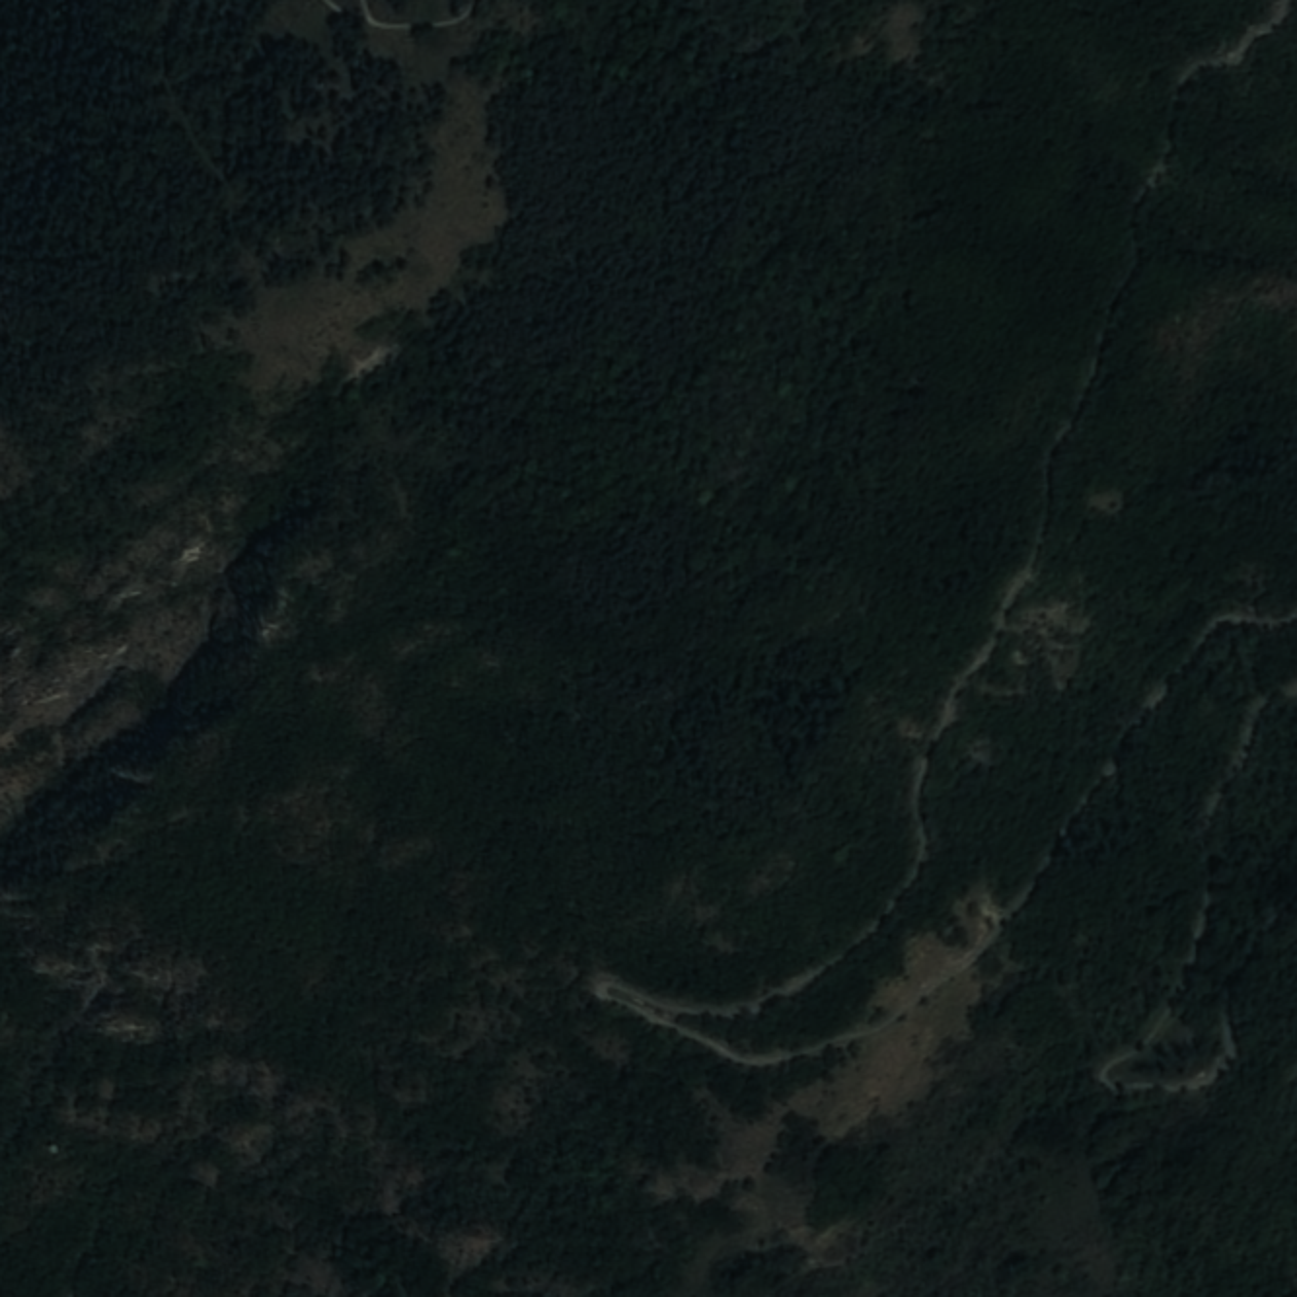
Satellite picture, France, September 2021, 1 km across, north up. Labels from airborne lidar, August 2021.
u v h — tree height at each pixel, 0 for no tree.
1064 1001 12
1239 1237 5
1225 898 20
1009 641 14
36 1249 17
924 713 9
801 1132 9
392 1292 11
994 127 16
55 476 9
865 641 16
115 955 10
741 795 8
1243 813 6
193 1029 10
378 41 0
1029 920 10
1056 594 9
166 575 8
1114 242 16
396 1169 8
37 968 12
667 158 16
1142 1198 19
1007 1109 8
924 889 12
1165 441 16
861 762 9
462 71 7
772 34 6
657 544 18
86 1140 10
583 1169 17
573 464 14
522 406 14
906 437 18
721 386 14
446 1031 8
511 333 15
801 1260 7
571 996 8
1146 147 13
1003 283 19
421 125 8
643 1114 14
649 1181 9
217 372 8
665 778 12
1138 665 7
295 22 0
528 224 18
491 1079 8
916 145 18
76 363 11
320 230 6
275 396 6
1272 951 22
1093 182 25
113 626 8
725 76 14
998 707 11
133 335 15
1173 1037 0
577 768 9
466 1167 8
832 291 18
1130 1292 7
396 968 10
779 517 17
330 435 14
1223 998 23
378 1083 12
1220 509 11
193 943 10
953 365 20
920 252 18
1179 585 16
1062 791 9
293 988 12
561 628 15
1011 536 20
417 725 8
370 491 9
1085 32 18
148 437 10
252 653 8
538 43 11
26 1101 13
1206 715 16
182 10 7
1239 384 13
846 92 14
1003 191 20
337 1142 7
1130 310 20
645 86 12
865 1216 6
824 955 7
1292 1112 11
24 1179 10
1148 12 20
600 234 18
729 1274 6
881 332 18
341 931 9
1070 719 12
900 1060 0
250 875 13
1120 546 16
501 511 11
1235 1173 17
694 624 16
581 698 16
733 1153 0
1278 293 6
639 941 10
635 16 13
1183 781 15
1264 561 9
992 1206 9
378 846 7
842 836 14
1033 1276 15
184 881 13
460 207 0
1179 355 7
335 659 9
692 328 15
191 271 7
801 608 14
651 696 17
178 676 8
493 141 14
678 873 9
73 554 7
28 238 22
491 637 13
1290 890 26
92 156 16
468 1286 14
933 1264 18
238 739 11
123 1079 10
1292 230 12
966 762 11
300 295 0
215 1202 12
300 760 10
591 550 17
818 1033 11
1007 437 11
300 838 6
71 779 11
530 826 17
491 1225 9
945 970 0
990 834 11
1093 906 14
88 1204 12
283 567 8
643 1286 20
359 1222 10
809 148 15
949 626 17
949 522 19
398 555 8
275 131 13
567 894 14
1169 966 6
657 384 12
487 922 11
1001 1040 7
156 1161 7
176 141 13
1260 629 9
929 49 14
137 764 7
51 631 8
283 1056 14
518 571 15
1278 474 16
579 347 14
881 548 16
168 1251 12
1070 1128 19
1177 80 11
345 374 8
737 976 17
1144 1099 11
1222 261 20
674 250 15
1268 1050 17
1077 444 13
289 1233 9
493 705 13
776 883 7
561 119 16
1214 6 11
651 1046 12
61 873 11
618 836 15
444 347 12
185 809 7
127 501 9
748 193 21
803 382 23
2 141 13
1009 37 20
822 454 16
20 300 11
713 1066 8
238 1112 13
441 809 11
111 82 11
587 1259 10
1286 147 9
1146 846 16
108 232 12
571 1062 11
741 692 22
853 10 14
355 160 10
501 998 6
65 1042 11
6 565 14
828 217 17
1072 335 22
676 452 13
